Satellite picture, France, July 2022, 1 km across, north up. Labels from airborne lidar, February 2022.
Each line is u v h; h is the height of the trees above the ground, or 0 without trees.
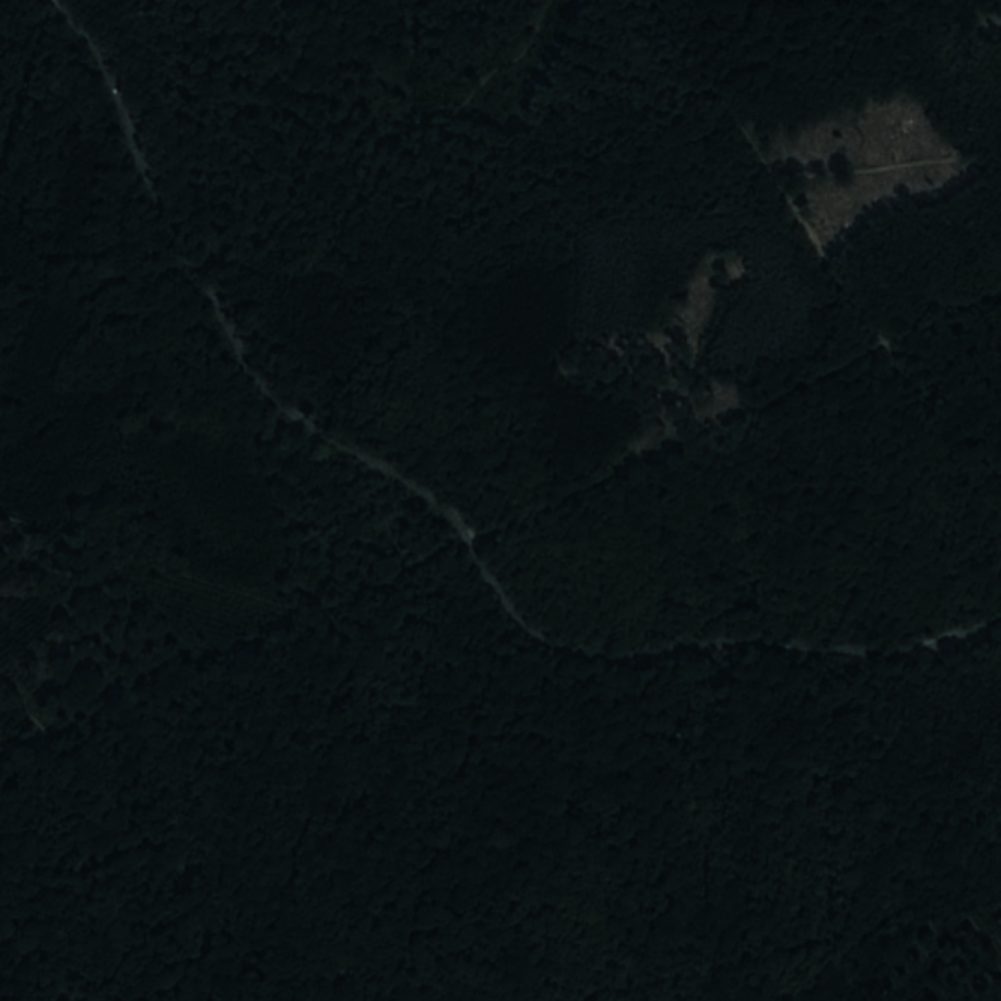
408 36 26
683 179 20
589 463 21
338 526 19
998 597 24
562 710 26
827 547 24
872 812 25
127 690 24
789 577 23
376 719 27
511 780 24
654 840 24
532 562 18
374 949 26
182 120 26
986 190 22
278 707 25
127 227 26
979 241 20
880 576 22
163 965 27
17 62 22
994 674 19
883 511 23
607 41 25
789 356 16
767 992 26
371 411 19
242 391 19
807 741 26
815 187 0
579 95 21
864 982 6
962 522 24
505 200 24
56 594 23
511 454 24
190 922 30
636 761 27
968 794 21
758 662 28
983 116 22
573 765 27
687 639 9
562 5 0
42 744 24
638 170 21
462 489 22
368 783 26
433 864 28
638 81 24
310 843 28
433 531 9
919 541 23
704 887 24
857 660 10
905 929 24
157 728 24
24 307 19
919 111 0
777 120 25
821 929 21
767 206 21
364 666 29
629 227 13
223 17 26
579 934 26
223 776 26
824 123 0
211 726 22
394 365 22
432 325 19
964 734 22
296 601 21
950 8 24
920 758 21
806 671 23
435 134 25
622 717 27
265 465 22
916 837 27
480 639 24
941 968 23
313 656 23
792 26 20
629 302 12
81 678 27
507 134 22
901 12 19
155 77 24
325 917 28
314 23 25
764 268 15
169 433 24
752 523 23
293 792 28
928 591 24
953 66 23
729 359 15
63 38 23
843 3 23
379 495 18
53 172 23
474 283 11
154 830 23
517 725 24
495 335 19
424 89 0
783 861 23
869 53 22
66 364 21
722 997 26
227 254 15
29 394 13
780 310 14
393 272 23
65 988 21
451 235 23
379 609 25
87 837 28
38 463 12
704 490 23
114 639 25
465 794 24
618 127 15
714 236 14
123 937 27
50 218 20
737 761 26
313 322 15
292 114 23
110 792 24
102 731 24
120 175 25
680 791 26
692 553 22
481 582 20
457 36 24
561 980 23
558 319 17
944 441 24
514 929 29
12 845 25
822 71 24
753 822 21
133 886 19
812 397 22
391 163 26
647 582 19
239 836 28
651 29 23
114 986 23
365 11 25
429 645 22
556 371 22
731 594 25
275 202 24
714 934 29
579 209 19
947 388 24
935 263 21
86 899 24
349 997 25
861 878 24
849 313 23
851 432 20
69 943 26
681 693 21
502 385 20
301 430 19
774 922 26
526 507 22
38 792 25
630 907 26
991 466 21
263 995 24
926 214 21
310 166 25
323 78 22
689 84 24
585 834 26
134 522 20
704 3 26
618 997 25
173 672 26
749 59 8
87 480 6
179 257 22
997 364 25
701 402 23
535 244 20
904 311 20
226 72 25
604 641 19
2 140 23
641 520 23
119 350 22
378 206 25
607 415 20
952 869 26
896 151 0
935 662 20
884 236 18
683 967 21
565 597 20
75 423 17
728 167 22
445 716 25
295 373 20
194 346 23
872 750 22
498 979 26
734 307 14
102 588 23
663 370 24
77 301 22
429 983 26
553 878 24
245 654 24
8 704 21
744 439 23
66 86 27
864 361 20
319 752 27
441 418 21
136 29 23
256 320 19
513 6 23
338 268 21
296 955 29
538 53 0
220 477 6
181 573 16
